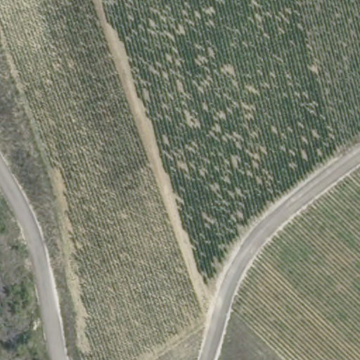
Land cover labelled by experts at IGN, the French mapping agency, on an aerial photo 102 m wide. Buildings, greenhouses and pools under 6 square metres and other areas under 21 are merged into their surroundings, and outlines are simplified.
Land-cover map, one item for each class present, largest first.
<instances>
[{"label":"vineyard","instance_id":"1","mask_svg":"<svg viewBox=\"0 0 360 360\"><path fill-rule=\"evenodd\" d=\"M0 39L11 75L20 91V97L15 98L14 103L22 105L25 114L30 118L35 141L41 149L42 160L59 201L58 215L62 226L66 278L75 304L77 347L82 352L80 360H197L204 333L205 314L217 283L215 276L224 267L225 255L231 252L233 240L245 233L250 218L262 214L269 202L276 201L298 181L304 180L316 165L326 162L330 156L346 155L353 146L357 145L360 148V0H0ZM214 360H360V169L340 181L328 194L318 198L300 217L292 219L291 224L285 226L283 231L264 247L262 255L257 257L240 285L238 297L233 302L228 329L222 332Z\"/></svg>","mask_w":360,"mask_h":360},{"label":"impervious surface","instance_id":"2","mask_svg":"<svg viewBox=\"0 0 360 360\"><path fill-rule=\"evenodd\" d=\"M360 169V148L357 145L353 146L346 155L330 156L326 162L316 165L304 180L298 181L276 201L269 202L262 214L250 218L245 233L233 240L231 252L225 255L224 267L215 276L217 283L205 314L204 333L197 360H214L222 332L228 329L233 302L238 297L240 285L257 257L262 255L264 247L283 231L285 226L291 224L292 219L300 217L318 198L328 194L340 181ZM0 194L6 197L8 205L17 215L20 242L27 246L34 257V277L39 307L42 315L45 322L44 336L48 340L51 360H70L67 356L65 332L60 315L58 288L44 231L24 187L17 176L11 173L10 160L0 149Z\"/></svg>","mask_w":360,"mask_h":360},{"label":"herbaceous vegetation","instance_id":"3","mask_svg":"<svg viewBox=\"0 0 360 360\"><path fill-rule=\"evenodd\" d=\"M20 97V91L11 75L0 39V149L10 160L11 173L17 176L24 187L44 231L58 288L60 315L65 332L67 356L70 360H80L82 352L77 347L75 304L66 278L62 226L58 215L59 201L42 160L41 149L35 141L30 118L25 114L22 105L14 103L15 98ZM34 257L27 246L20 242L17 215L8 205L6 197L0 194V298L6 295L4 287L7 285L25 283L34 277ZM15 307V314L8 311L0 316V340L7 342L24 330H32L34 322L42 315L39 307L34 312L28 307L22 308L20 298ZM0 360H31V356H22L18 347L6 350L0 346Z\"/></svg>","mask_w":360,"mask_h":360},{"label":"deciduous trees","instance_id":"4","mask_svg":"<svg viewBox=\"0 0 360 360\"><path fill-rule=\"evenodd\" d=\"M6 295L0 298V316L8 311L15 314V307L20 298L22 308L28 307L34 312L39 307L34 277L25 283L7 285L4 287ZM45 322L42 315L34 322L32 330H24L7 342L0 340V346L6 350L18 347L22 356H31V360H51L48 340L44 336Z\"/></svg>","mask_w":360,"mask_h":360}]
</instances>
